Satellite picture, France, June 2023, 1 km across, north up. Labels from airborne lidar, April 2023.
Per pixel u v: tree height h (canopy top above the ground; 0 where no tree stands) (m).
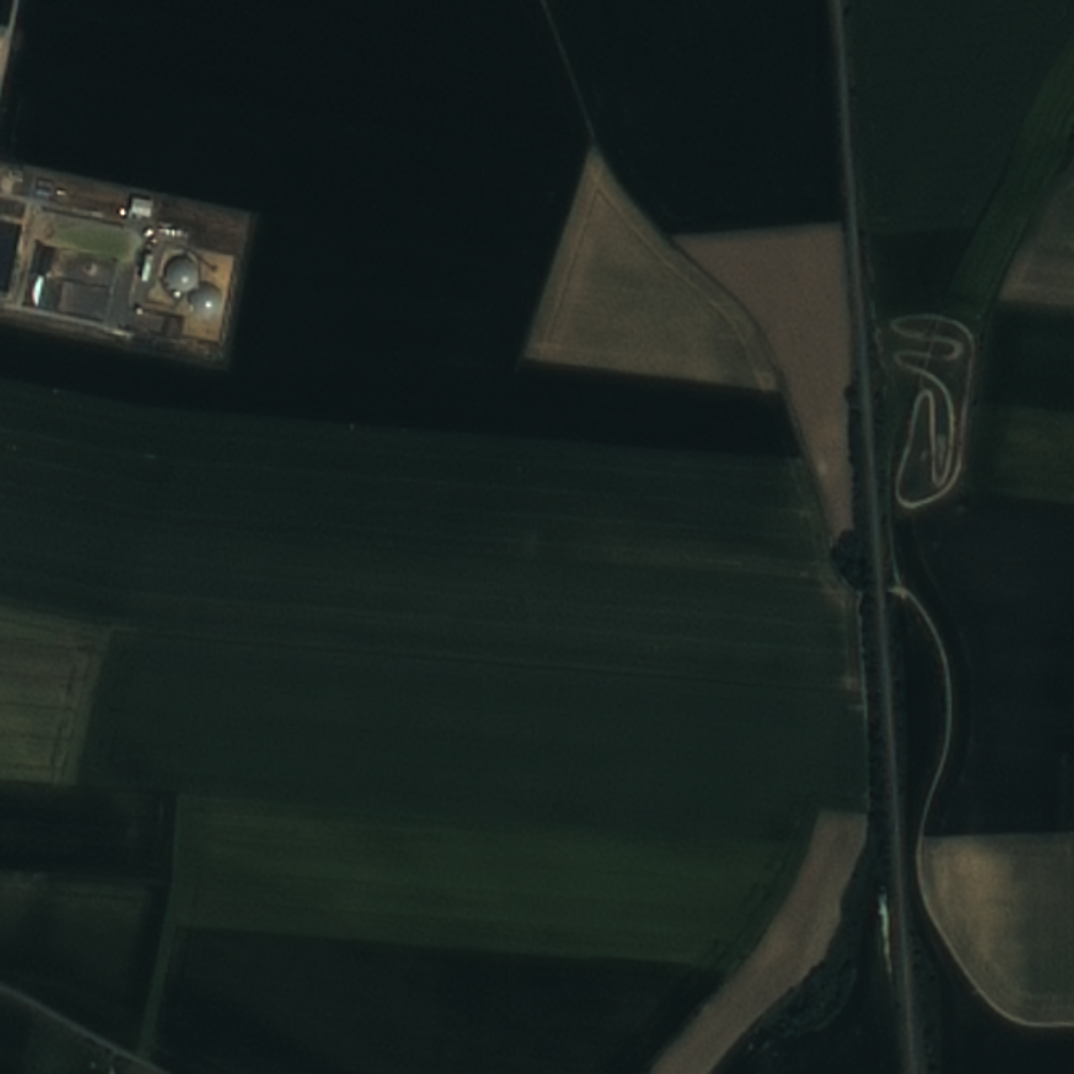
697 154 0
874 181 0
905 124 0
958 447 0
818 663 0
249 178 0
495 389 0
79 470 0
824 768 0
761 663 0
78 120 0
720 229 0
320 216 0
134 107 0
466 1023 0
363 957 0
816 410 0
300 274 0
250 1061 0
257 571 0
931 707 0
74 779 0
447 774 0
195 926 0
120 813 0
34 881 0
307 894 0
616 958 0
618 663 0
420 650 0
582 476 0
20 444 0
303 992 0
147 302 0
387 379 0
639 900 0
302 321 0
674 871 0
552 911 0
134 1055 0
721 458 0
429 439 0
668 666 0
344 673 0
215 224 0
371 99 0
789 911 0
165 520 0
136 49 0
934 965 0
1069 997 0
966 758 0
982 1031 0
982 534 0
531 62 0
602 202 0
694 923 0
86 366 0
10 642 0
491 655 0
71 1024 0
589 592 0
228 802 0
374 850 0
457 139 0
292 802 0
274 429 0
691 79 0
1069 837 0
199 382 0
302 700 0
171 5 0
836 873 0
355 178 0
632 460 0
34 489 0
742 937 0
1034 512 0
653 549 0
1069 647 0
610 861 0
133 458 0
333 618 0
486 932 0
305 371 0
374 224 0
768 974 0
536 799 0
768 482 0
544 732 0
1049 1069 0
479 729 0
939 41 0
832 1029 0
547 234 0
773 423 0
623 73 0
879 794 10
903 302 0
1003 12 0
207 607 0
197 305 0
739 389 0
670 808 0
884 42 0
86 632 0
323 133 0
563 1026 0
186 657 0
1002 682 0
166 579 0
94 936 0
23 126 0
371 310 0
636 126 0
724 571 0
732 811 0
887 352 0
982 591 0
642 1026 0
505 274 0
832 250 0
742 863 0
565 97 0
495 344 0
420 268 0
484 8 0
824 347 0
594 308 0
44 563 0
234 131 0
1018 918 0
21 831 0
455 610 0
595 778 0
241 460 0
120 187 0
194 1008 0
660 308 0
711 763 0
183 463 0
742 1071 0
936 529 0
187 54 0
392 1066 0
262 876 0
